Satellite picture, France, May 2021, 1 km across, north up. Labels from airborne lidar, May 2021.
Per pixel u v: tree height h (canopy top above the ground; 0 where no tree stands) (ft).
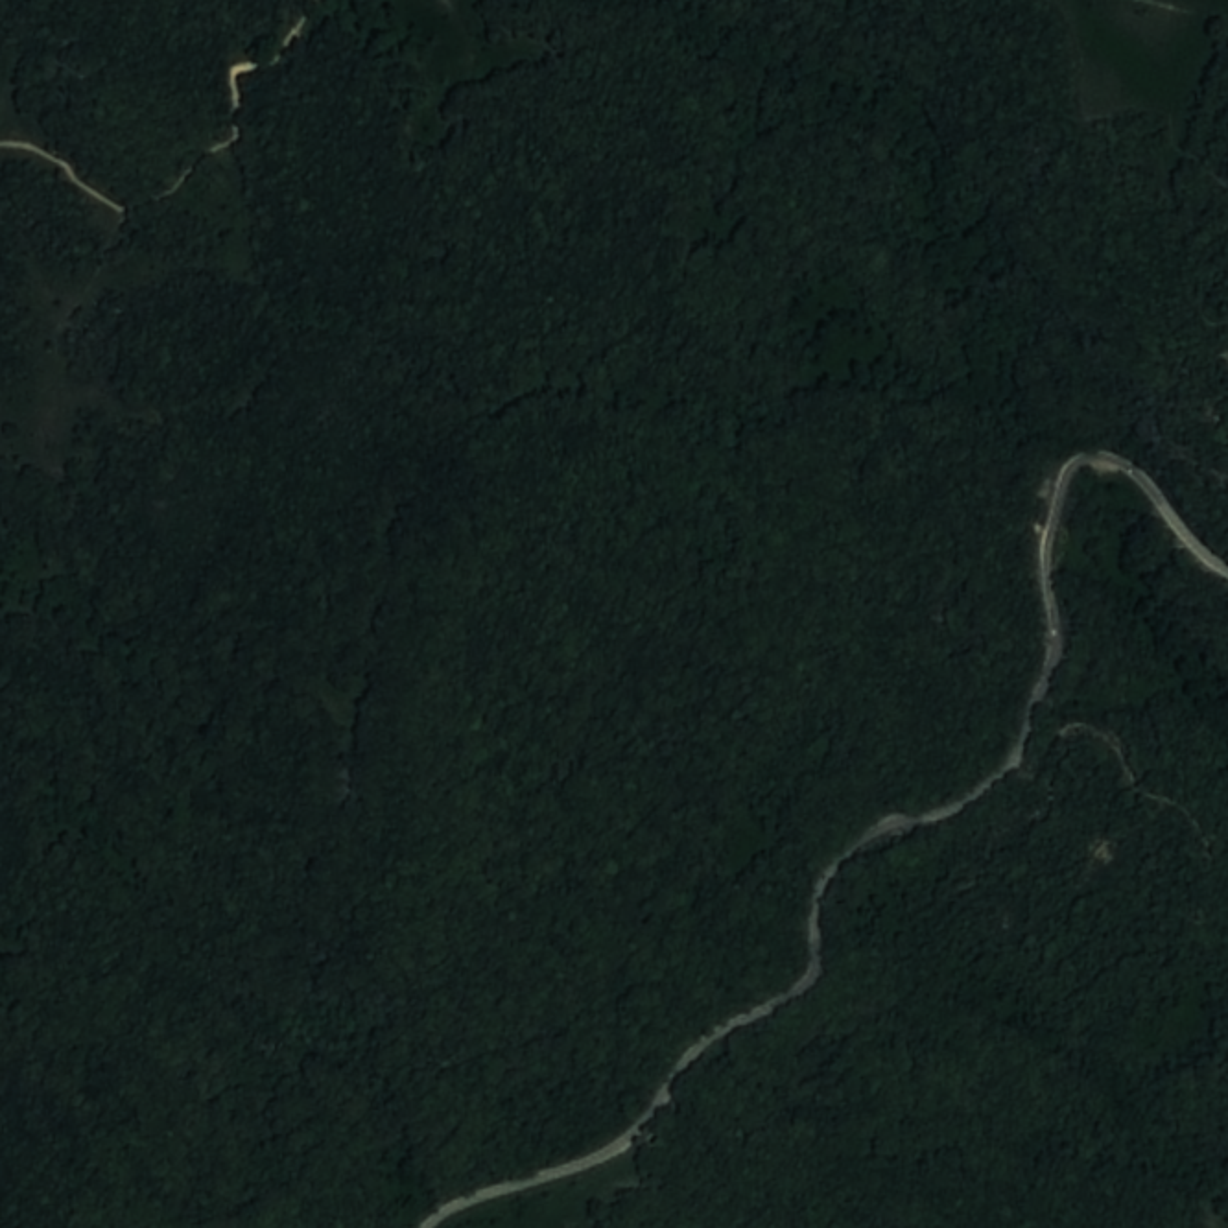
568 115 43
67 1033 53
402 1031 45
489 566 44
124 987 45
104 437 24
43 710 53
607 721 38
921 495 29
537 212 45
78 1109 35
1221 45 26
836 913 60
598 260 24
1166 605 56
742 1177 43
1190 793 39
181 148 38
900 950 28
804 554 43
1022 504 28
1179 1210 49
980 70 46
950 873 35
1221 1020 37
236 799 51
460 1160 51
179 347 28
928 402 39
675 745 42
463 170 37
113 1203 54
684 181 57
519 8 52
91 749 49
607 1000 40
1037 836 30
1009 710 43
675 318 42
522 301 21
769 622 52
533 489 34
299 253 22
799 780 27
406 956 43
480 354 43
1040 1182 62
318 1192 48
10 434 35
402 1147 24
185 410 37
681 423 53
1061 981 28
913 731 18
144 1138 41
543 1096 30
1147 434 66
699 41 70
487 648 49
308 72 40
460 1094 42
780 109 41
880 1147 51
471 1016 46
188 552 18
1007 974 34
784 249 50
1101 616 56
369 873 45
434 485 49
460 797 46
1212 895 32
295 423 32
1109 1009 26
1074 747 20
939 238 29
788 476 46
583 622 43
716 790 45
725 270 59
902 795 50
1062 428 56
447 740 31
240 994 44
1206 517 33
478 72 0
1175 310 31
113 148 29
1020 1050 49
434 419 41
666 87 38
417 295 31
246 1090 49
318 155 31
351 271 31
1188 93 0
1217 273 35
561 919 47
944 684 28
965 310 85
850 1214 28
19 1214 27
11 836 24
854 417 53
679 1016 50
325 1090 49
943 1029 46
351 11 41
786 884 35
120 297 27
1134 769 31
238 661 36
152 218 29
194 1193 37
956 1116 52
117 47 36
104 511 29
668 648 39
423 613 31
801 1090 51
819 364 45
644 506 54
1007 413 69
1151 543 56
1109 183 31
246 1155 52
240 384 43
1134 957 36
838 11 40
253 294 33
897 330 42
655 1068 47
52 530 31
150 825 54
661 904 59
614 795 54
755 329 47
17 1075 25
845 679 39
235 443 21
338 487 19
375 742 42
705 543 46
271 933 51
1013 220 59
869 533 18
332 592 45
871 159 63
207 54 43
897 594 43
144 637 40
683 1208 30
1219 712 72
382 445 40
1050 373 31
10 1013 42
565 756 40
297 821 48
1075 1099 50
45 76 42
